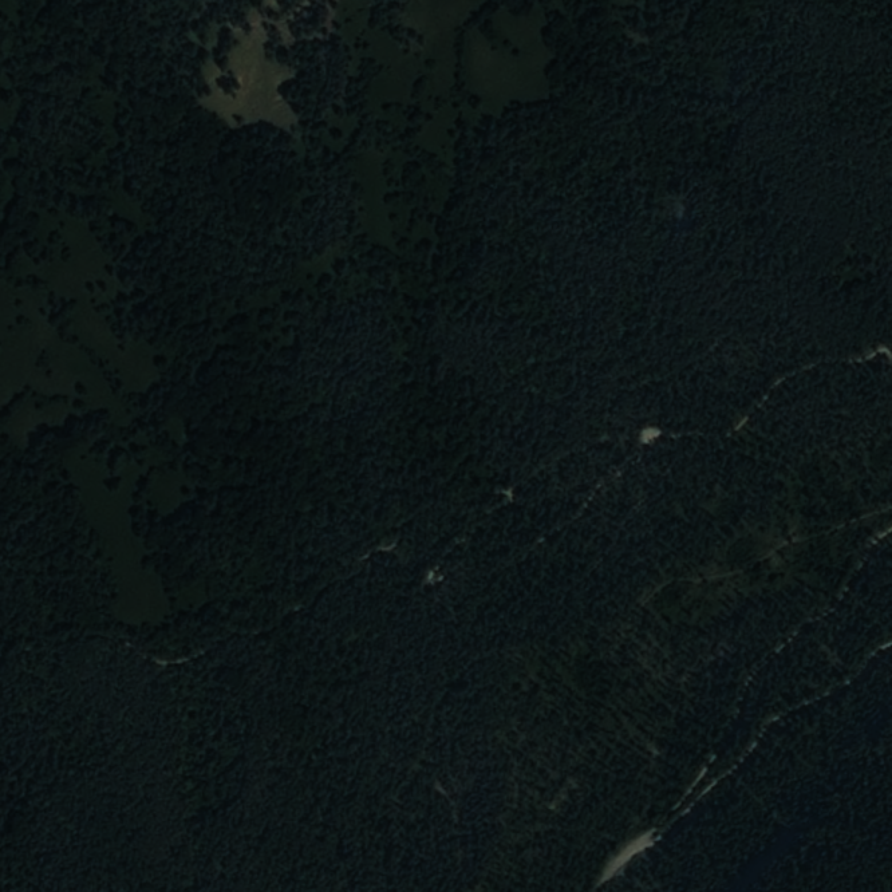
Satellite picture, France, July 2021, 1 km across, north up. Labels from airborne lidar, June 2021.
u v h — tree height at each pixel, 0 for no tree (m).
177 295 21
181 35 14
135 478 0
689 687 12
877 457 6
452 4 0
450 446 14
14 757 13
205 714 7
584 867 16
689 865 14
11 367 0
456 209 19
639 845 0
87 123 6
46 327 0
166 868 17
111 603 15
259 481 19
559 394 6
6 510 23
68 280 0
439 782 7
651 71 20
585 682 10
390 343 22
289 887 25
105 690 18
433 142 0
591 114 9
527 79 0
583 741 28
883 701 16
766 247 16
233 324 15
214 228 23
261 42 0
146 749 20
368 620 23
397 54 0
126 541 0
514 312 9
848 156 19
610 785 23
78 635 13
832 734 20
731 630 23
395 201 10
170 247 23
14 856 12
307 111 12
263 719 19
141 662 16
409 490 26
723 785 7
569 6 13
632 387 13
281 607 11
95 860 25
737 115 9
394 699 18
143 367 0
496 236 10
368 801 20
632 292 18
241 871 18
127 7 18
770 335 14
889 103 15
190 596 0
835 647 23
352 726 11
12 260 14
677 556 25
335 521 23
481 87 0
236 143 23
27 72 16
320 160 10
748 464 24
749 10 7
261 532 14
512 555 33
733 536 27
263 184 26
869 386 17
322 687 26
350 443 20
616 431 13
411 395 17
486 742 11
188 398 24
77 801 22
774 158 19
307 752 14
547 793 15
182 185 23
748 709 22
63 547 22
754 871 7
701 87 15
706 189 18
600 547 22
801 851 11
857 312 24
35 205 7
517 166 11
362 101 11
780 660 20
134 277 31
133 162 31
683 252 17
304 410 12
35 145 23
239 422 18
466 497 16
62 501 16
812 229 19
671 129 23
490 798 15
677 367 21
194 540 31
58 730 9
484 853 20
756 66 11
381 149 8
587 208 7
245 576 10
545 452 24
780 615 23
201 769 16
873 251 16
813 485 12
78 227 0
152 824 19
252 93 0
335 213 10
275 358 22
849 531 7
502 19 0
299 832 20
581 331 11
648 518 16
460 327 21
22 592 23
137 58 23
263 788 18
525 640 27
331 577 23
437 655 21
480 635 22
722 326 16
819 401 17
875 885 17
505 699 21
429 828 16
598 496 18
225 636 22
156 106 20
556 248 25
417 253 13
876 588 21
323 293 8
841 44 24
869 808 21
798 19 9
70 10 16
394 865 18
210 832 20
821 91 17
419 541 8
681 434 18
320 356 24
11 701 20
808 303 14
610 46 22
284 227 20
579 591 25
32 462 11
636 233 21
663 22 9
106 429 21
